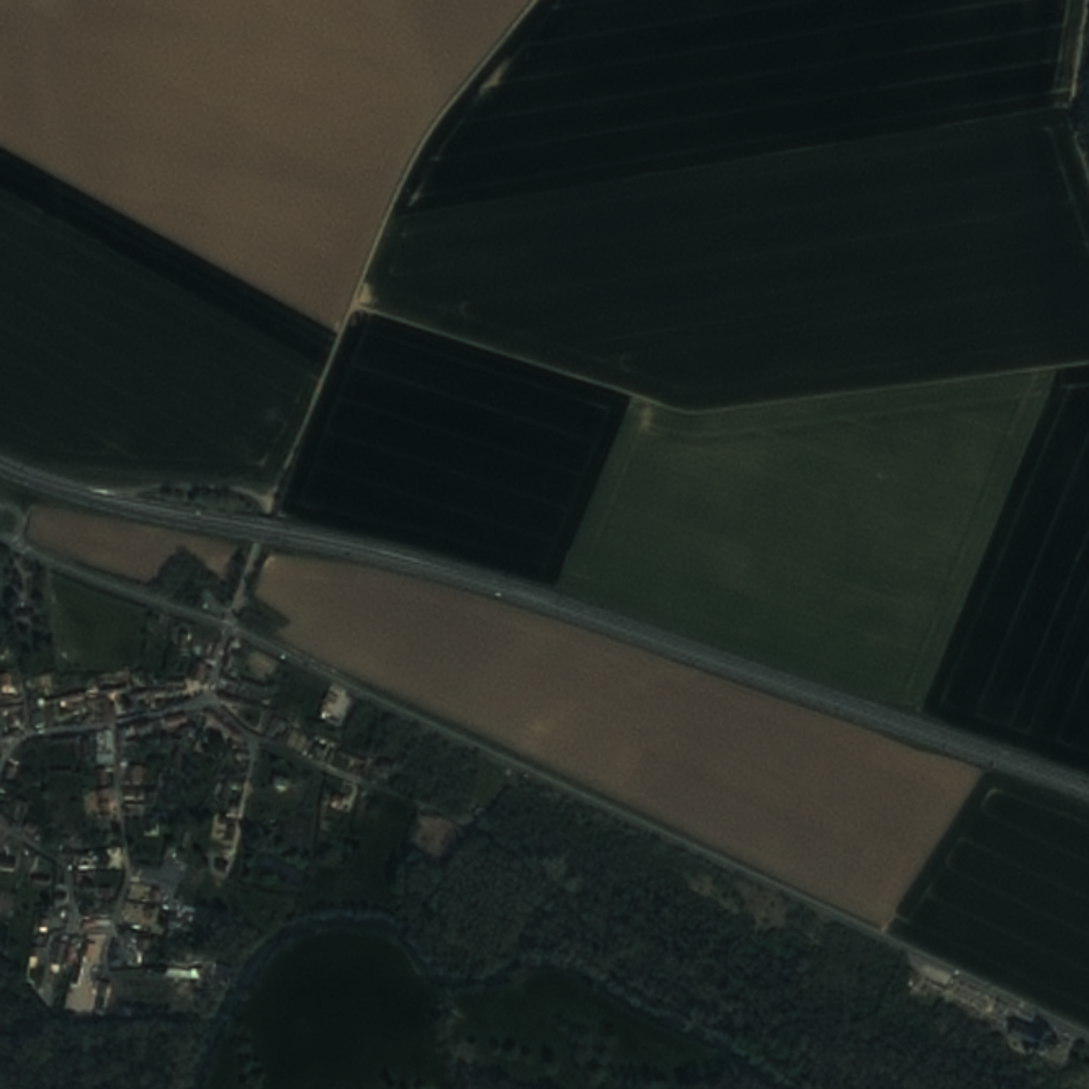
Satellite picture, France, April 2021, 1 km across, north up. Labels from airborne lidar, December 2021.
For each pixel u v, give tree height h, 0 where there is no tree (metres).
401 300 0
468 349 0
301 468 0
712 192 0
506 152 0
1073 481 0
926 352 0
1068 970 0
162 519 0
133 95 0
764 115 0
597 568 0
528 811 13
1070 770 0
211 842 0
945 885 0
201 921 17
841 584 0
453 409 0
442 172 0
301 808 0
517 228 0
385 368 0
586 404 0
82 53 0
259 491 0
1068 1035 0
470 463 0
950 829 0
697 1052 0
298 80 0
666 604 0
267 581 0
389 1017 0
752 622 0
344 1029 0
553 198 0
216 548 0
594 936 0
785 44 0
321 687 0
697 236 0
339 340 0
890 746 0
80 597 0
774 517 0
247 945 28
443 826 0
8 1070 18
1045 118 0
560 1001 0
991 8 0
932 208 0
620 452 0
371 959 0
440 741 11
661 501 0
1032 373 0
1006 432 0
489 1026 0
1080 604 0
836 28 0
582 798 0
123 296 0
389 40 0
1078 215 0
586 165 0
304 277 0
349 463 0
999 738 0
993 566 0
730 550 0
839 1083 0
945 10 0
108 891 0
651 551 0
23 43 0
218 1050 0
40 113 0
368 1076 0
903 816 0
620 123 0
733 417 0
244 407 0
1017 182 0
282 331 0
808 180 0
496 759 0
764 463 0
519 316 0
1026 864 0
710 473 0
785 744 0
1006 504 0
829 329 0
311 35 0
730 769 0
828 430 0
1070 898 0
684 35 0
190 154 0
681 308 0
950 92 0
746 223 0
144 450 0
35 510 0
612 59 0
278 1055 0
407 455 0
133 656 0
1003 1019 0
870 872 0
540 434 0
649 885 7
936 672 0
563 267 0
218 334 0
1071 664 0
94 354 0
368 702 0
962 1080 29
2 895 0
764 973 21
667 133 0
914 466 0
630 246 0
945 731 0
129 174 0
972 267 0
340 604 0
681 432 0
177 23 0
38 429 0
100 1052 23
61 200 0
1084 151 13
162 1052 19
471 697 0
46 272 0
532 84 0
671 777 0
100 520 0
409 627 0
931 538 0
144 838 0
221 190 0
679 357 0
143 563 0
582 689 0
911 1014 6
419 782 10
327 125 0
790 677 0
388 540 0
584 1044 15
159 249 0
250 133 0
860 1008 13
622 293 0
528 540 0
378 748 11
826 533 0
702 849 0
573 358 0
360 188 0
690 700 0
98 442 0
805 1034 26
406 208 0
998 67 0
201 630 0
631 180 0
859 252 0
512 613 0
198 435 0
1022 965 0
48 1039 35
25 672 10
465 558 0
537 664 0
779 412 0
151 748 8
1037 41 0
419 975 0
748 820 0
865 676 0
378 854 0
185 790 21
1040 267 0
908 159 0
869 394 0
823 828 0
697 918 0
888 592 0
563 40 0
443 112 0
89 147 0
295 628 0
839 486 0
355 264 0
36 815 0
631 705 0
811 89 0
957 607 0
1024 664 0
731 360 0
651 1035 0
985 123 0
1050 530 0
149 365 0
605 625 0
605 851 15
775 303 0
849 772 0
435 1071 0
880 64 0
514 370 0
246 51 0
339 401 0
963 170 0
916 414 0
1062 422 0
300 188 0
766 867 0
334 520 0
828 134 0
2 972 8
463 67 0
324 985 0
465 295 0
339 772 0
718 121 0
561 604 0
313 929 0
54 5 0
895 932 0
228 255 0
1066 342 0
